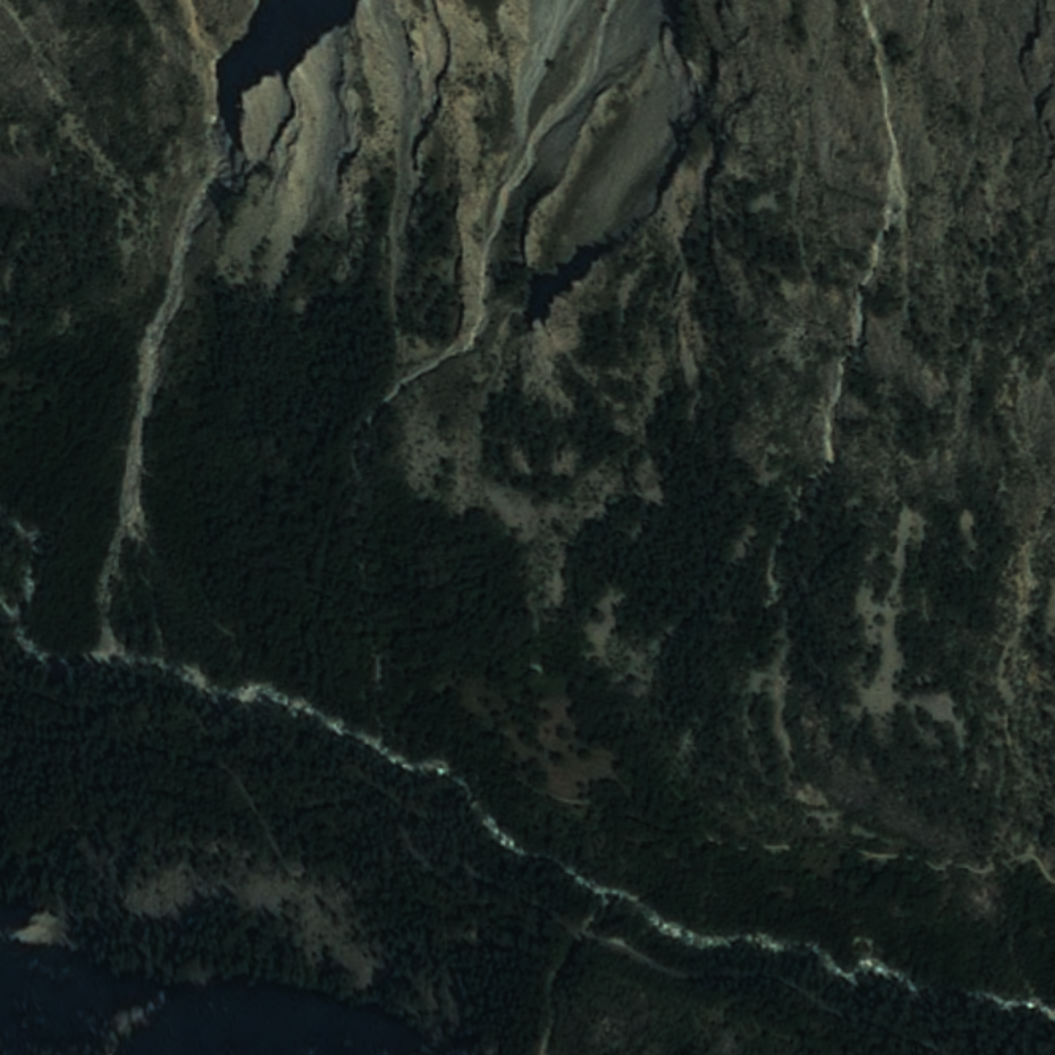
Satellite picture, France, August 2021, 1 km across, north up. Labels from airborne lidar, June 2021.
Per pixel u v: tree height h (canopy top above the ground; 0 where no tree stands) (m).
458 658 20
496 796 13
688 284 0
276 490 26
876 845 8
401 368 8
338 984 19
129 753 13
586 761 10
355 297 8
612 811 12
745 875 9
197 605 9
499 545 10
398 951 17
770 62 0
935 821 15
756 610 14
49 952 0
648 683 7
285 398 24
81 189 16
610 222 0
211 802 17
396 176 7
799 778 7
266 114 0
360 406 15
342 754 13
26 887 26
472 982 22
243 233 0
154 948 21
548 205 0
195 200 0
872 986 9
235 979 10
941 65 0
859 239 0
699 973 6
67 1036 7
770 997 11
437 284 12
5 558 13
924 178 0
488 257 0
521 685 6
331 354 22
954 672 6
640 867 8
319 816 13
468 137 0
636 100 0
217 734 20
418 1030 11
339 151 0
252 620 25
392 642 9
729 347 7
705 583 13
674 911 8
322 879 9
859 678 7
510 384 9
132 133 7
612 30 0
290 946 8
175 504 9
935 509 6
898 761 7
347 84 0
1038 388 0
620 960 7
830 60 0
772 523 10
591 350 9
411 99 0
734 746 8
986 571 8
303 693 8
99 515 8
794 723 8
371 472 16
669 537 12
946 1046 23
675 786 8
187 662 9
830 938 13
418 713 13
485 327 0
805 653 13
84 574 9
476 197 0
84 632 7
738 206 11
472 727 15
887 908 15
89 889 14
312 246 6
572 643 10
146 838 25
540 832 14
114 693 14
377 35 0
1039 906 13
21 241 7
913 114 0
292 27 0
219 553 19
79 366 9
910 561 9
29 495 17
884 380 5
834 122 0
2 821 7
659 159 0
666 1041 7
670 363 6
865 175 0
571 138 0
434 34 0
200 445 13
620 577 13
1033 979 12
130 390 8
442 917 11
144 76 10
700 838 9
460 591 24
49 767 10
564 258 0
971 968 12
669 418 14
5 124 8
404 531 12
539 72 0
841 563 6
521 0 0
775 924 12
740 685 6
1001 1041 12
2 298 8
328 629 14
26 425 10
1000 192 0
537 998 14
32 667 21
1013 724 11
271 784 12
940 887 8
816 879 12
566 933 12
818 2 0
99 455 11
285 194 0
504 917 11
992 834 7
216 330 7
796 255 7
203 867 15
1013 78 0
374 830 24
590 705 16
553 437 10
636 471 8
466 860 16
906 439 15
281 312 21
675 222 0
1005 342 7
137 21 7
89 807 30
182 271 0
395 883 11
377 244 11
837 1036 9
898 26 0
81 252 6
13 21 0
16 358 10
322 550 22
